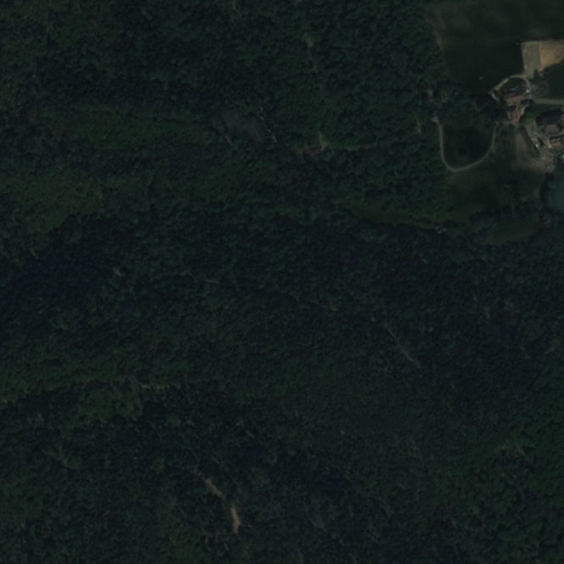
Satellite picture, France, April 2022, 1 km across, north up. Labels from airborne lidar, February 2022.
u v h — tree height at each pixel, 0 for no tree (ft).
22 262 97
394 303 99
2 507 63
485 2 0
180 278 76
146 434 98
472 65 0
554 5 0
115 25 98
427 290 106
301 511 80
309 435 37
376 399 49
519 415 91
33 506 83
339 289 87
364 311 82
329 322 73
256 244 98
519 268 90
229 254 94
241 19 23
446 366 114
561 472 95
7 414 93
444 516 93
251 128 64
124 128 77
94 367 60
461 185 0
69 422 93
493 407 93
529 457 81
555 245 80
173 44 91
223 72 95
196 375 68
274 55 69
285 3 64
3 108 55
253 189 76
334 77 81
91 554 75
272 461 89
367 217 0
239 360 77
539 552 71
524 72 0
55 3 72
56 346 66
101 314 39
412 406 73
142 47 95
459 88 37
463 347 111
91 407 92
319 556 72
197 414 55
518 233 0
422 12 57
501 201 0
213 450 110
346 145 76
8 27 52
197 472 81
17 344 49
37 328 68
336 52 75
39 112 80
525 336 101
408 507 69
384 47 72
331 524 71
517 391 94
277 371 53
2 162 64
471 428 88
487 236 61
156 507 55
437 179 82
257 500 79
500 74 0
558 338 102
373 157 97
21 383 48
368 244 94
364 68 88
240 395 80
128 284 83
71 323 62
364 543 86
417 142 97
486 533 85
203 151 75
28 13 61
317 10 83
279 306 99
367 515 97
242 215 86
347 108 44
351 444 75
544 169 0
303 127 93
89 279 85
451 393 96
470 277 95
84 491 72
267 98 82
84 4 77
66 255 63
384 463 48
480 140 0
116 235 97
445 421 83
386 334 78
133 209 82
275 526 70
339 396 43
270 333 76
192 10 88
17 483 57
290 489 88
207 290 90
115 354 26
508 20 0
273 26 86
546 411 73
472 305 98
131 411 77
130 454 81
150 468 55
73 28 82
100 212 72
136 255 100
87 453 101
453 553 113
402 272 104
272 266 93
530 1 0
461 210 0
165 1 89
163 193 95
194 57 95
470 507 79
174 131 63
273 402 45
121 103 84
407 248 101
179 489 80
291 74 77
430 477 55
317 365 42
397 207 91
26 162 72
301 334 66
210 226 102
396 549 80
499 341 111
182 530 57
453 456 64
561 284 86
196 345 86
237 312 90
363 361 35
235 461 115
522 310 88
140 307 82
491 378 102
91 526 63
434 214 87
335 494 95
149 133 70
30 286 101
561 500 92
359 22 58
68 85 85
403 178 82
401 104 86
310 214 78
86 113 55
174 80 90
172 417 89
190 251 90
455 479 68
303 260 84
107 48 108
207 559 64
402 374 79
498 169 0
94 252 102
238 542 84
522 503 84
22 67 93
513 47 0
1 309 99
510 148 0
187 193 85
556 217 70
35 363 70
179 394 87
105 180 44
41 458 94
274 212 68
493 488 84
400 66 92
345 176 29
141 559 62
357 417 52
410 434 50
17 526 93
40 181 69
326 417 57
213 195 75
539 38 0
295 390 61
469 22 0
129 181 65
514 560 87
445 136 0
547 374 82
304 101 92
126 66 88
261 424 98
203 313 84
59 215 74
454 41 0
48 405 81
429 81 63
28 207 80
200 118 75
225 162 66
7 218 90
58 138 83
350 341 76
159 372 65
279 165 82
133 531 57
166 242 85
